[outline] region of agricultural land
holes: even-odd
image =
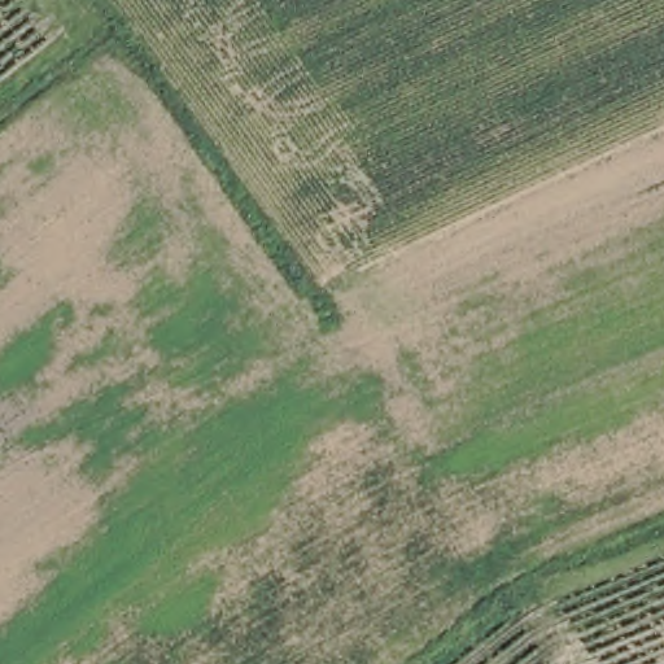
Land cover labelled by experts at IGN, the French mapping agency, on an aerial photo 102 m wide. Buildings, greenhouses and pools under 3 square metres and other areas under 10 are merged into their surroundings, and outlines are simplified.
[[[21,119],[34,130],[34,135],[29,137],[26,150],[10,153],[5,161],[0,161],[0,176],[13,166],[31,169],[34,176],[29,179],[29,197],[34,200],[52,184],[54,176],[60,176],[67,169],[70,156],[88,156],[93,169],[104,169],[112,161],[122,166],[125,171],[119,174],[119,184],[130,187],[135,205],[114,228],[114,241],[106,249],[106,262],[114,262],[114,267],[122,270],[137,288],[137,293],[130,301],[106,301],[96,306],[91,301],[62,301],[44,311],[29,329],[18,332],[5,348],[0,348],[0,472],[5,469],[10,451],[34,449],[42,457],[44,472],[52,472],[57,467],[57,457],[62,454],[80,467],[80,477],[96,485],[112,472],[112,464],[117,459],[127,454],[137,457],[137,472],[127,480],[127,488],[117,488],[96,501],[99,519],[80,534],[80,540],[57,547],[44,560],[34,563],[39,584],[44,589],[34,597],[26,597],[23,604],[13,612],[13,617],[0,623],[0,664],[405,664],[412,654],[425,648],[425,643],[433,641],[438,633],[449,633],[457,617],[472,610],[472,604],[480,597],[529,573],[529,568],[540,560],[552,558],[558,552],[568,552],[584,542],[591,542],[599,534],[641,521],[664,508],[664,469],[659,457],[651,457],[648,464],[628,464],[607,485],[586,485],[573,477],[581,464],[597,459],[597,449],[604,454],[610,449],[628,449],[643,441],[654,441],[664,431],[664,179],[633,192],[620,192],[607,202],[591,205],[589,210],[576,210],[565,220],[558,220],[542,231],[532,231],[529,236],[506,244],[495,252],[485,252],[475,262],[459,265],[457,270],[433,280],[433,291],[425,298],[397,285],[386,275],[384,265],[386,259],[399,257],[392,241],[415,241],[418,236],[431,233],[488,202],[495,202],[503,195],[511,195],[555,171],[563,171],[615,143],[625,143],[664,122],[664,0],[114,0],[117,10],[127,18],[132,34],[140,36],[156,57],[169,86],[182,93],[195,119],[228,158],[231,169],[246,184],[252,197],[262,205],[262,210],[275,223],[280,236],[293,246],[293,252],[316,278],[324,293],[335,298],[337,293],[350,291],[363,303],[366,324],[381,322],[384,327],[397,327],[407,316],[425,311],[431,303],[444,303],[451,298],[459,301],[457,309],[444,311],[438,337],[418,340],[410,350],[397,353],[402,376],[407,376],[407,381],[418,392],[420,405],[431,412],[428,433],[436,436],[436,454],[428,454],[423,446],[407,444],[407,438],[397,433],[397,423],[386,412],[386,405],[392,399],[405,397],[402,389],[392,386],[379,374],[374,374],[368,355],[358,348],[348,348],[348,342],[342,342],[335,332],[322,332],[311,303],[291,291],[285,278],[272,265],[272,259],[254,241],[239,210],[223,195],[215,176],[187,143],[182,127],[171,119],[158,96],[148,88],[148,83],[140,75],[135,75],[125,62],[112,57],[93,60],[78,80],[62,83],[54,91],[49,91]],[[57,410],[54,418],[49,418],[36,402],[36,392],[60,386],[70,374],[80,379],[88,394],[83,399],[70,402],[67,407]]]

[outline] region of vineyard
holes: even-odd
[[[475,651],[464,646],[464,651],[451,664],[664,664],[664,555],[646,560],[646,565],[633,568],[633,573],[615,573],[594,584],[578,586],[563,594],[560,602],[542,599],[540,604],[524,607],[521,620],[516,620],[514,625],[503,625]]]
[[[13,80],[16,73],[39,60],[57,39],[67,34],[67,29],[54,16],[39,16],[36,0],[0,0],[0,86]]]

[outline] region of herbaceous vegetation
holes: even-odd
[[[472,610],[457,617],[449,633],[438,633],[433,641],[425,643],[425,648],[412,654],[405,664],[451,664],[464,651],[464,646],[475,651],[503,625],[514,625],[516,620],[521,620],[524,607],[540,604],[542,599],[560,602],[563,594],[578,586],[594,584],[615,573],[633,573],[633,568],[646,565],[646,560],[664,555],[664,508],[641,521],[599,534],[591,542],[584,542],[568,552],[558,552],[552,558],[540,560],[529,568],[529,573],[480,597],[472,604]]]
[[[13,80],[0,86],[0,132],[21,119],[49,91],[54,91],[62,83],[78,80],[93,60],[112,57],[125,62],[135,75],[140,75],[148,83],[148,88],[158,96],[171,119],[182,127],[187,143],[215,176],[223,195],[239,210],[254,241],[272,259],[272,265],[285,278],[291,291],[311,303],[322,332],[335,332],[342,324],[342,319],[335,298],[324,293],[316,278],[293,252],[293,246],[280,236],[275,223],[262,210],[262,205],[252,197],[246,184],[231,169],[228,158],[195,119],[182,93],[169,86],[156,57],[140,36],[132,34],[127,18],[117,10],[114,0],[36,0],[39,16],[54,16],[67,29],[67,34],[57,39],[39,60],[16,73]]]

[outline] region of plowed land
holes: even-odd
[[[433,291],[433,280],[457,270],[459,265],[475,262],[485,252],[495,252],[506,244],[529,236],[532,231],[542,231],[558,220],[565,220],[576,210],[589,210],[591,205],[607,202],[620,192],[633,192],[664,179],[664,122],[625,143],[615,143],[563,171],[555,171],[511,195],[503,195],[495,202],[488,202],[431,233],[418,236],[415,241],[392,241],[399,257],[386,259],[384,265],[386,275],[397,285],[425,298]]]
[[[5,161],[10,153],[26,150],[29,137],[34,135],[34,130],[21,119],[0,132],[0,161]]]
[[[418,392],[407,381],[407,376],[402,376],[397,353],[410,350],[418,340],[438,337],[444,311],[457,309],[459,301],[451,298],[444,303],[431,303],[425,311],[407,316],[397,327],[384,327],[381,322],[366,324],[363,303],[350,291],[337,293],[335,298],[342,319],[342,324],[335,332],[342,342],[348,342],[348,348],[358,348],[368,355],[374,374],[379,374],[392,386],[402,389],[405,397],[392,399],[386,405],[386,412],[397,423],[397,433],[407,438],[407,444],[423,446],[428,454],[436,454],[436,436],[428,433],[431,412],[420,405]]]
[[[654,441],[643,441],[628,449],[610,449],[604,454],[597,449],[597,459],[581,464],[573,477],[586,485],[607,485],[628,464],[648,464],[651,457],[659,457],[664,469],[664,431]]]
[[[34,176],[31,169],[13,166],[0,176],[0,348],[5,348],[18,332],[29,329],[44,311],[62,301],[91,301],[96,306],[106,301],[130,301],[137,293],[137,288],[122,270],[114,267],[114,262],[106,262],[106,249],[114,241],[114,228],[135,205],[130,187],[119,184],[119,174],[125,171],[122,166],[112,161],[104,169],[93,169],[88,156],[70,156],[67,169],[60,176],[54,176],[52,184],[34,200],[29,197],[29,179]]]
[[[36,402],[49,418],[54,418],[57,410],[67,407],[70,402],[83,399],[88,394],[80,379],[70,374],[60,386],[36,392]]]
[[[23,604],[26,597],[34,597],[44,589],[39,584],[34,563],[44,560],[57,547],[80,540],[80,534],[99,519],[96,501],[117,488],[127,488],[127,480],[137,472],[137,457],[127,454],[117,459],[112,464],[112,472],[96,485],[80,477],[80,467],[62,454],[57,457],[57,467],[52,472],[44,472],[42,457],[34,449],[10,451],[5,469],[0,472],[0,623],[13,617],[13,612]]]

